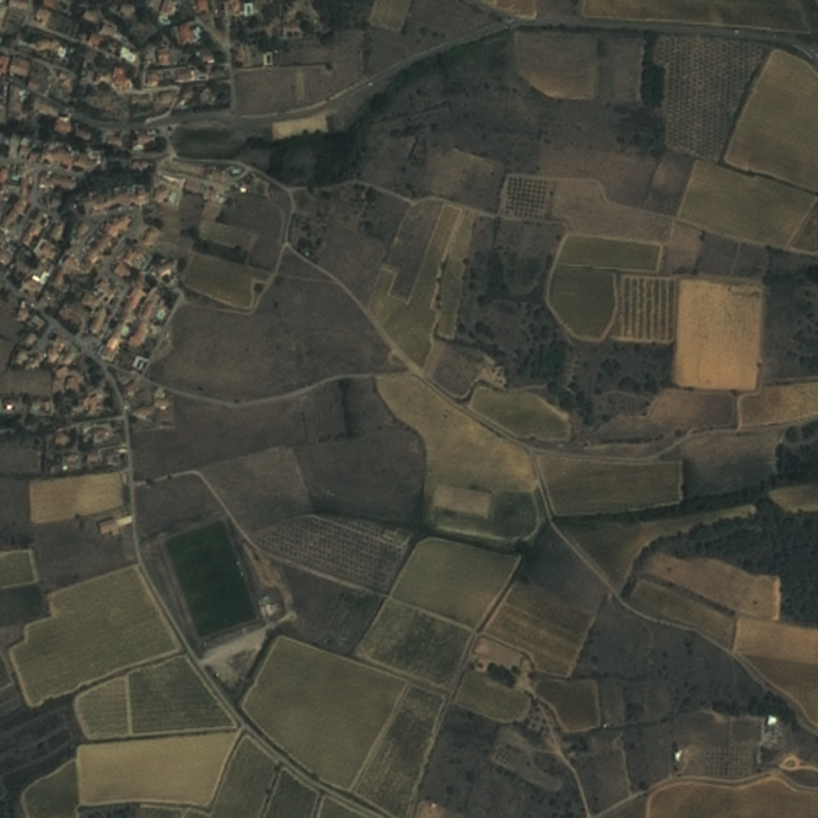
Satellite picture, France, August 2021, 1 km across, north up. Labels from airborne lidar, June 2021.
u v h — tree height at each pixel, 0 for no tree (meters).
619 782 0
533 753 0
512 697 0
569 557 0
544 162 0
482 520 0
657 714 0
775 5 0
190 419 0
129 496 0
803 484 11
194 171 0
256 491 0
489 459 0
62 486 0
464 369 0
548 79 0
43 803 0
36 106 0
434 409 0
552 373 6
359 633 0
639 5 0
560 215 0
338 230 0
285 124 0
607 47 0
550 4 0
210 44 11
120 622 0
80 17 7
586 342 0
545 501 0
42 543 0
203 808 0
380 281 0
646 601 0
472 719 8
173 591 0
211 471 0
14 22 0
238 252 11
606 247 0
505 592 0
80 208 6
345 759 0
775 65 0
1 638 0
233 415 0
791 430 6
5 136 12
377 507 0
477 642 0
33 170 0
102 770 0
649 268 0
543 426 0
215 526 0
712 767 0
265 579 0
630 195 0
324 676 0
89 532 0
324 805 0
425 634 0
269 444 0
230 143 0
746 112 0
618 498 0
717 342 0
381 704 0
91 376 7
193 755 0
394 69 0
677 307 0
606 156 0
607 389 0
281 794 0
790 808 0
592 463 0
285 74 0
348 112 0
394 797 0
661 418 0
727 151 0
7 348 0
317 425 0
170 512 0
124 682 0
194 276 0
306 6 0
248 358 0
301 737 0
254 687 0
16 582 0
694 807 0
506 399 0
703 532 15
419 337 0
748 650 0
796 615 9
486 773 0
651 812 0
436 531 0
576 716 0
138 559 0
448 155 0
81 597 0
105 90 10
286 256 0
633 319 0
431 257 0
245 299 0
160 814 0
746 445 0
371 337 0
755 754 0
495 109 0
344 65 0
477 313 0
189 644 0
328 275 0
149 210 6
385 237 0
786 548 9
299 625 0
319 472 0
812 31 0
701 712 0
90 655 0
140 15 15
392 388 0
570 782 0
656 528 0
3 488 0
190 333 0
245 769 0
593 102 0
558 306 0
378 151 0
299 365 0
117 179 14
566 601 0
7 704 0
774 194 0
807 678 0
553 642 0
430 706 0
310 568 0
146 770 0
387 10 0
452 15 0
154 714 0
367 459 0
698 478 0
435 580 0
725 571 0
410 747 0
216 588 0
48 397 0
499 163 0
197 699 0
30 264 9
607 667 0
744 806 0
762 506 12
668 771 0
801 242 0
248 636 0
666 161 0
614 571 0
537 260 0
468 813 0
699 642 0
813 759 0
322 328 0
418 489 0
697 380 0
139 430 0
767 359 0
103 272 0
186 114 9
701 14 0
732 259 0
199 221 0
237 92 0
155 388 0
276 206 0
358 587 0
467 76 0
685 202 0
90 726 0
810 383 0
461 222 0
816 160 0
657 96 9
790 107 0
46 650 0
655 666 0
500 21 7
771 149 0
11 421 9
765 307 0
